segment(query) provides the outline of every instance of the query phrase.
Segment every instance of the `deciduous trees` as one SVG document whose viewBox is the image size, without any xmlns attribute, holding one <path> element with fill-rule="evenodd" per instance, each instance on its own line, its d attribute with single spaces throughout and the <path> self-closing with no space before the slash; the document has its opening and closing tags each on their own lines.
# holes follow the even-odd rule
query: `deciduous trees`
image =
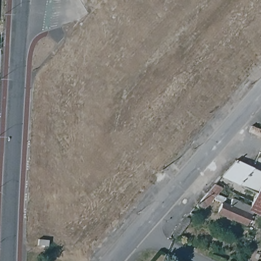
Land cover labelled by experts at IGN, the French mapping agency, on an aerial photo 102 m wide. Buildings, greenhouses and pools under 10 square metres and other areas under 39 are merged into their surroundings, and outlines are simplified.
<svg viewBox="0 0 261 261">
<path fill-rule="evenodd" d="M 213 261 L 249 261 L 253 255 L 250 246 L 251 242 L 255 241 L 256 229 L 237 238 L 233 232 L 220 227 L 210 216 L 204 218 L 202 214 L 193 213 L 188 232 L 180 234 L 181 244 L 193 247 L 195 253 Z"/>
<path fill-rule="evenodd" d="M 234 199 L 251 205 L 254 198 L 245 194 L 225 184 L 220 195 L 230 202 Z"/>
</svg>

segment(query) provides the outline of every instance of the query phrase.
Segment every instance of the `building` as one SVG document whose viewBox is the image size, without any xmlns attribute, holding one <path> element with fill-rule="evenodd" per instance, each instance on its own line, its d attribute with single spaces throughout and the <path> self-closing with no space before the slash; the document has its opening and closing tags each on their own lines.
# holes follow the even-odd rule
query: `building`
<svg viewBox="0 0 261 261">
<path fill-rule="evenodd" d="M 215 201 L 219 202 L 218 211 L 228 220 L 243 225 L 251 224 L 256 215 L 261 217 L 261 171 L 244 162 L 237 162 L 224 173 L 224 179 L 248 187 L 245 194 L 254 198 L 251 205 L 234 199 L 230 202 L 220 195 L 215 196 Z"/>
<path fill-rule="evenodd" d="M 45 248 L 49 247 L 49 241 L 39 240 L 38 246 L 45 251 Z"/>
</svg>

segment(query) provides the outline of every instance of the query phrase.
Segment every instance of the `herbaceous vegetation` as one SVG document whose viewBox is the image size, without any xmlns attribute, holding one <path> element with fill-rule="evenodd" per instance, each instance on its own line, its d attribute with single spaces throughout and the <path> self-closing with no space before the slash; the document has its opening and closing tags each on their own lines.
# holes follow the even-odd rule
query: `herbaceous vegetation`
<svg viewBox="0 0 261 261">
<path fill-rule="evenodd" d="M 199 208 L 193 213 L 202 214 L 204 218 L 210 216 L 220 227 L 233 232 L 237 238 L 256 229 L 255 241 L 251 242 L 250 246 L 253 255 L 249 261 L 261 261 L 261 217 L 256 215 L 251 224 L 243 225 L 228 220 L 218 211 L 216 214 L 211 213 L 212 207 L 209 206 Z"/>
<path fill-rule="evenodd" d="M 55 54 L 54 41 L 46 37 L 38 42 L 34 49 L 32 69 L 39 66 L 49 53 Z"/>
<path fill-rule="evenodd" d="M 66 39 L 59 53 L 39 70 L 30 92 L 23 200 L 23 243 L 27 249 L 25 261 L 90 261 L 92 251 L 101 248 L 107 241 L 105 229 L 108 225 L 112 224 L 113 220 L 122 219 L 121 214 L 128 208 L 137 208 L 139 201 L 157 181 L 157 174 L 164 173 L 166 168 L 184 157 L 181 155 L 182 150 L 199 139 L 207 118 L 212 118 L 218 109 L 229 101 L 242 85 L 242 80 L 246 79 L 246 76 L 249 77 L 250 69 L 261 63 L 261 0 L 84 0 L 88 12 L 73 24 L 73 27 L 80 25 L 79 33 Z M 38 246 L 39 240 L 49 241 L 49 247 L 45 248 L 45 251 Z"/>
</svg>

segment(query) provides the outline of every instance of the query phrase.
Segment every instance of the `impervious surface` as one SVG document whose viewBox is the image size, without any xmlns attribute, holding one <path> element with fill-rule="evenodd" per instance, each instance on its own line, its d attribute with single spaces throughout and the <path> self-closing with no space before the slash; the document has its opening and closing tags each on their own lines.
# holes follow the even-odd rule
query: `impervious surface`
<svg viewBox="0 0 261 261">
<path fill-rule="evenodd" d="M 39 70 L 59 53 L 66 39 L 79 33 L 80 25 L 73 27 L 73 24 L 88 12 L 84 0 L 0 0 L 0 261 L 25 261 L 27 249 L 23 243 L 23 200 L 30 92 Z M 34 49 L 38 42 L 46 37 L 54 41 L 55 54 L 49 53 L 39 66 L 32 69 Z"/>
<path fill-rule="evenodd" d="M 122 219 L 113 220 L 112 224 L 108 225 L 105 229 L 107 241 L 101 248 L 92 251 L 90 261 L 213 261 L 195 253 L 193 247 L 181 244 L 180 234 L 188 232 L 193 213 L 199 208 L 209 206 L 212 207 L 211 213 L 216 214 L 218 211 L 219 202 L 215 201 L 215 196 L 220 195 L 225 184 L 245 194 L 248 187 L 224 179 L 224 173 L 237 162 L 244 162 L 261 171 L 261 63 L 250 69 L 249 77 L 246 76 L 246 79 L 242 80 L 242 85 L 229 101 L 218 109 L 212 118 L 207 118 L 199 139 L 182 150 L 181 155 L 184 157 L 166 168 L 164 173 L 157 174 L 157 181 L 139 201 L 137 208 L 128 208 L 121 214 Z"/>
</svg>

